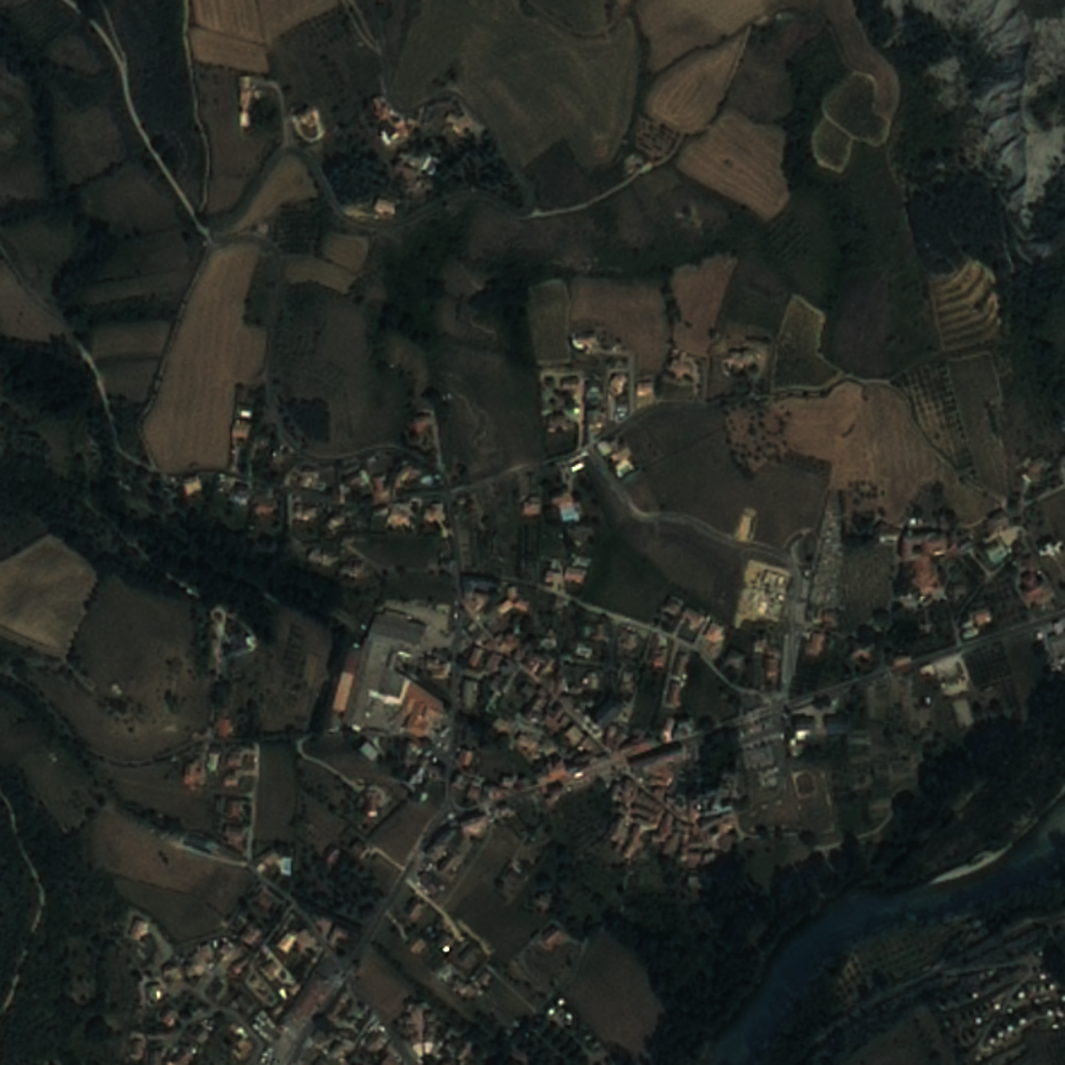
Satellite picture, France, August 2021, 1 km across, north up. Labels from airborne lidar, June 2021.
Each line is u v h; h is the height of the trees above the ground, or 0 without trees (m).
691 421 0
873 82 0
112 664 0
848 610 0
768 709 0
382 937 0
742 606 0
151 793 0
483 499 0
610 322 0
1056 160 10
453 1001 0
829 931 0
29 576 0
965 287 0
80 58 0
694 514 0
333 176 12
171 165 12
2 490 14
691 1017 15
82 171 0
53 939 9
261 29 0
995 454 0
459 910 0
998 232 15
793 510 0
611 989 0
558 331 0
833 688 0
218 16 0
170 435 0
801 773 0
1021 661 0
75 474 10
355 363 0
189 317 0
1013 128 0
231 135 0
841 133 0
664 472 0
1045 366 13
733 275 0
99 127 0
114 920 6
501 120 0
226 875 0
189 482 0
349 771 0
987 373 0
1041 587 0
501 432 0
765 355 0
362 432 0
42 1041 8
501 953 0
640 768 0
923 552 0
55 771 0
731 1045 0
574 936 10
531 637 8
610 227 5
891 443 0
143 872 0
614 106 0
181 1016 8
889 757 0
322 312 0
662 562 0
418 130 7
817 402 0
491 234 0
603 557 0
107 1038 8
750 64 0
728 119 0
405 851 0
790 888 25
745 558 0
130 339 0
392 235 0
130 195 0
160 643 0
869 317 0
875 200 0
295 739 7
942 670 0
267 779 0
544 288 0
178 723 0
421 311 0
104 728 0
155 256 0
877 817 0
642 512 0
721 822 0
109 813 0
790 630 0
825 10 0
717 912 29
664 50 0
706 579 0
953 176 10
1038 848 0
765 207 0
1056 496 0
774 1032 19
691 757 0
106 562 15
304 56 0
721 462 0
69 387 11
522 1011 0
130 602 0
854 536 8
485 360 0
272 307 0
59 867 11
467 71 0
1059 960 22
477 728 16
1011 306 14
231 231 0
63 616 0
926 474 0
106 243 28
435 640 0
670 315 7
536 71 0
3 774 6
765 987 0
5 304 0
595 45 0
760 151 0
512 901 0
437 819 0
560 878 8
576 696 9
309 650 0
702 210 0
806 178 10
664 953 29
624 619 0
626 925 23
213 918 0
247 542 11
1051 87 6
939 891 0
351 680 0
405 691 0
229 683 8
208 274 0
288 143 0
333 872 8
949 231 13
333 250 0
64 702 0
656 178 0
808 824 0
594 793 6
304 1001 0
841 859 17
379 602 8
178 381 0
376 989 0
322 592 17
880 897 0
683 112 0
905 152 7
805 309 0
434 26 0
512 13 0
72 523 12
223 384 0
